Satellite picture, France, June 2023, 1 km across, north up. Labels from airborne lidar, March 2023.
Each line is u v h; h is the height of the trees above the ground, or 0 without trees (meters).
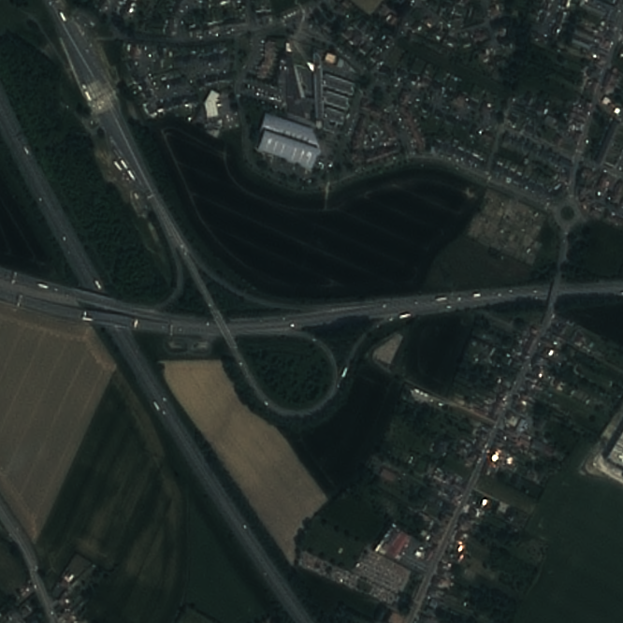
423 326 0
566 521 0
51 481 0
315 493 0
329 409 17
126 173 0
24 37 0
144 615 0
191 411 0
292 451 0
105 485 0
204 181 0
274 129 0
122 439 0
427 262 0
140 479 0
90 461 0
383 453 11
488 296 0
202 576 0
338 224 0
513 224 0
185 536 0
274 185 0
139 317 0
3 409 0
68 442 0
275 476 0
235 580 0
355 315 0
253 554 0
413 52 0
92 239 10
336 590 0
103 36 0
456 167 0
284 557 8
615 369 0
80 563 0
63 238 0
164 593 0
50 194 0
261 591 0
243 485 0
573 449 0
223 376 0
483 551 0
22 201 0
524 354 0
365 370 0
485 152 0
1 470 0
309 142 0
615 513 0
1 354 0
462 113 0
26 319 0
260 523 27
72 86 0
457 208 0
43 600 0
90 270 0
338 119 0
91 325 0
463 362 7
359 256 0
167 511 0
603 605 0
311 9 0
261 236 0
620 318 0
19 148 0
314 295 0
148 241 0
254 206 0
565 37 9
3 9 0
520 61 6
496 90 0
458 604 0
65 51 0
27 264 0
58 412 0
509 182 0
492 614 13
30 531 0
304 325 0
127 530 0
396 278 0
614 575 0
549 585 0
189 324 0
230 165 0
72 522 0
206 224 0
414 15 0
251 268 0
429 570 0
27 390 0
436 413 8
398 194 0
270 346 0
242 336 0
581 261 17
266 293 0
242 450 0
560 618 0
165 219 0
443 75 0
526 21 8
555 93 0
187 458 0
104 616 0
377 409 0
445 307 0
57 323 0
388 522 7
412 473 7
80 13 0
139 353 0
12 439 0
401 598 12
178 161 0
